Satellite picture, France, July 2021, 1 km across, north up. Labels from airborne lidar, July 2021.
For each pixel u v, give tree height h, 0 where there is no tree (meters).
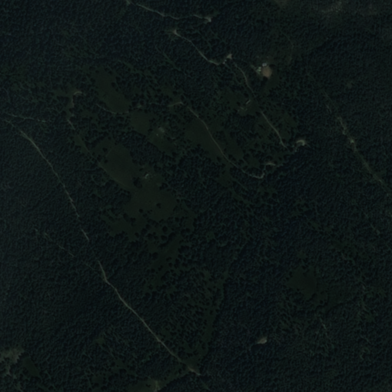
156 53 25
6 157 24
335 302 14
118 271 23
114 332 9
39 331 18
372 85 18
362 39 20
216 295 22
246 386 27
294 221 18
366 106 17
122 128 11
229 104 9
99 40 24
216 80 7
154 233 10
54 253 23
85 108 12
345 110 20
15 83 10
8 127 14
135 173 0
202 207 19
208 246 16
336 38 33
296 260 14
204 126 0
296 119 14
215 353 26
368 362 22
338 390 19
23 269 29
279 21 13
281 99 15
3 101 28
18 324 26
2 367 17
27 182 25
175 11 14
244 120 17
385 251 11
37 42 26
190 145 9
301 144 0
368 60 17
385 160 7
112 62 18
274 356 17
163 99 18
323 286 9
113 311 24
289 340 15
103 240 18
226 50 20
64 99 20
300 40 11
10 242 26
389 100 13
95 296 18
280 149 9
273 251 25
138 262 17
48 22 23
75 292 27
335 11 7
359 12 8
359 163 12
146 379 18
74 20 31
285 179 26
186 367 17
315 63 13
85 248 22
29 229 27
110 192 22
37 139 21
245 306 26
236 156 0
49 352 28
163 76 23
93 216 26
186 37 22
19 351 0
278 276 23
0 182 27
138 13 15
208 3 14
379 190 19
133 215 0
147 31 15
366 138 20
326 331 14
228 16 24
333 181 23
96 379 0
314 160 18
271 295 22
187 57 24
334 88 21
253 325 25
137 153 20
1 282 13
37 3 29
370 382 27
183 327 20
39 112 17
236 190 18
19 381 17
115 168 0
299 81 8
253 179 25
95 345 20
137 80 11
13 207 26
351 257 15
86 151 0
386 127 13
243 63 23
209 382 24
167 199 0
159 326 20
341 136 15
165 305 20
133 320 15
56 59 20
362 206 25
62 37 32
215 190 27
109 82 0
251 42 14
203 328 9
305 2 7
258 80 22
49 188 24
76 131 13
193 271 19
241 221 17
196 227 20
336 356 22
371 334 14
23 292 31
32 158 23
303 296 10
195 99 12
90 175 20
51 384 12
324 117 17
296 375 23
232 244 23
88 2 28
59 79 17
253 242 15
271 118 9
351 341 18
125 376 20
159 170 17
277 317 21
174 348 9
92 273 27
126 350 22
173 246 0
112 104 0
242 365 24
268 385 25
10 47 24
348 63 11
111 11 25
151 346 18
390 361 17
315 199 21
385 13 7
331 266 25
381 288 9
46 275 14
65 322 25
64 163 25
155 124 9
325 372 20
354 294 17
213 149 0
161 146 0
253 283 25
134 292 21
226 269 19
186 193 20
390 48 18
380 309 22
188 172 15
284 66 8
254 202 17
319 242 18
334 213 21
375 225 33
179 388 25
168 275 14
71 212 16
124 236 15
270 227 24
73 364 22
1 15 28
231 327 31
